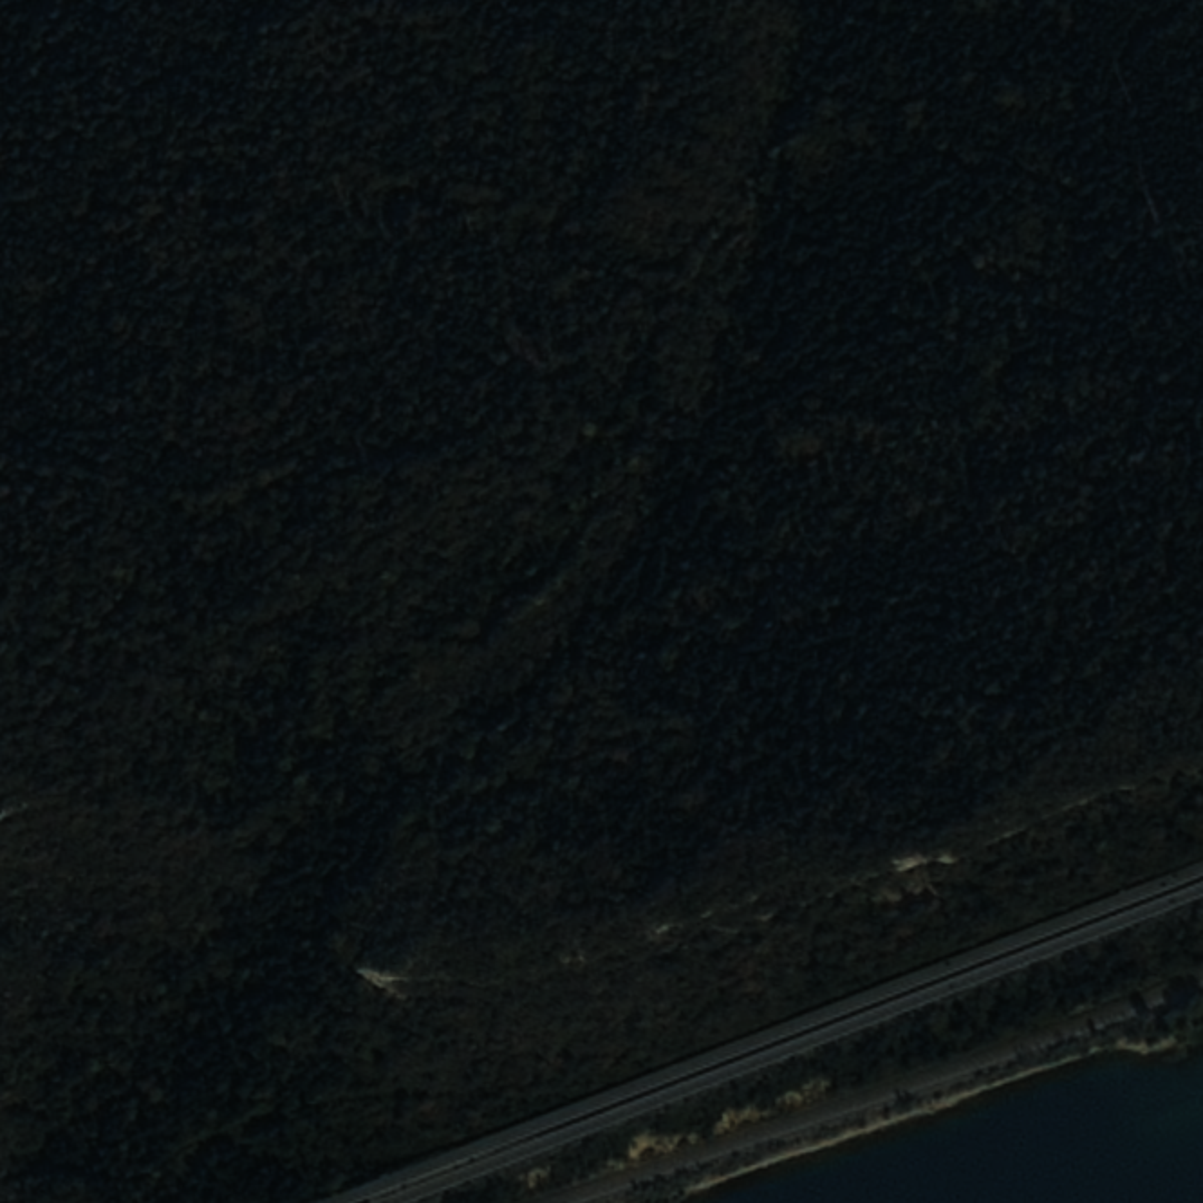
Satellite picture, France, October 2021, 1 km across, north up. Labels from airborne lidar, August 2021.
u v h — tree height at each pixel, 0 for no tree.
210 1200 26
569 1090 12
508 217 21
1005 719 21
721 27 20
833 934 24
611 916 17
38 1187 26
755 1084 13
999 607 7
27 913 22
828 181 32
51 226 20
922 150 26
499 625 16
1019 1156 0
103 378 26
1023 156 13
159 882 20
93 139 10
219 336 7
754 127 21
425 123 22
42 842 16
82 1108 29
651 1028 18
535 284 20
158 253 23
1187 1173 0
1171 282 16
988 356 23
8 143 10
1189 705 17
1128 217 11
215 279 20
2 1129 24
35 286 23
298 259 23
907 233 34
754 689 12
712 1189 0
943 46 28
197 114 25
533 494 24
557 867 17
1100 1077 0
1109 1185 0
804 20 27
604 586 23
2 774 21
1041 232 24
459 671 8
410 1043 19
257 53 20
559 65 23
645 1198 7
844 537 17
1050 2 25
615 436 32
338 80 20
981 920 25
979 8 23
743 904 17
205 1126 14
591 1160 6
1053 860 21
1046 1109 0
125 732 9
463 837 17
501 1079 23
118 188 22
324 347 18
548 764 21
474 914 14
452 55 20
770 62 18
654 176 18
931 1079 0
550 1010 23
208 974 19
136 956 24
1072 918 0
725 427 33
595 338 18
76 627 24
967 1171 0
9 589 11
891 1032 20
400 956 7
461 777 29
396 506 16
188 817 11
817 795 19
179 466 24
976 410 24
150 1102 30
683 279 20
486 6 24
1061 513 18
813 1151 0
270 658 18
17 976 14
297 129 23
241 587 10
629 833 8
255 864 35
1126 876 15
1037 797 9
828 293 26
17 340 16
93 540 20
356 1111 10
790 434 18
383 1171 11
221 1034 10
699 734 23
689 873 14
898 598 22
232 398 18
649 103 25
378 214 7
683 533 34
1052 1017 15
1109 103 18
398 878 13
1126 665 8
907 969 13
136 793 11
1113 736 11
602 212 15
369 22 21
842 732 9
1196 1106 0
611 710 16
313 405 22
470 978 6
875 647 27
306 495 25
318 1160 7
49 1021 21
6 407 21
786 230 29
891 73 30
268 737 34
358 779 21
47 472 21
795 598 32
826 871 13
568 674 21
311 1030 18
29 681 16
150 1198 8
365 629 10
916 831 20
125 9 27
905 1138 0
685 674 31
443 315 23
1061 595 13
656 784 17
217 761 13
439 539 18
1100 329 28
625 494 19
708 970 17
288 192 18
